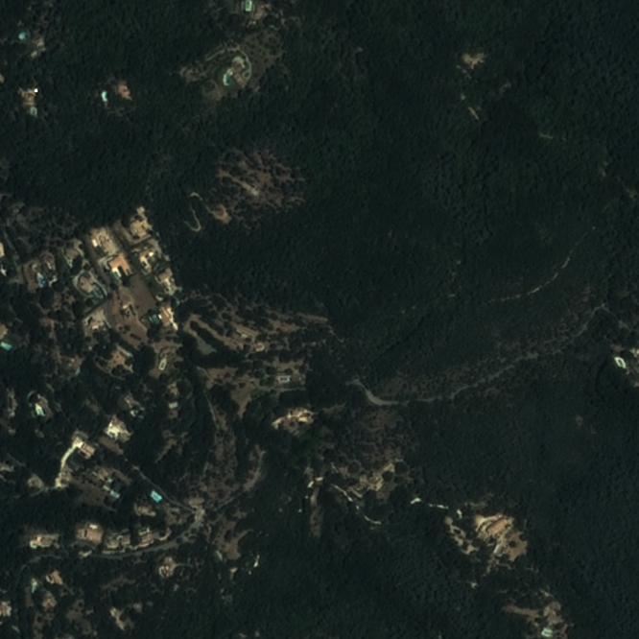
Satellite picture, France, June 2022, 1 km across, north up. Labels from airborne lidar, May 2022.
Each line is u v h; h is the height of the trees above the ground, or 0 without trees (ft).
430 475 53
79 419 43
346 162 46
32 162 39
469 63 35
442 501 27
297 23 25
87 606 36
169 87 44
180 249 37
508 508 29
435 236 20
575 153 32
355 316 48
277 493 32
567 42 30
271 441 33
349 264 45
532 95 40
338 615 46
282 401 46
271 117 39
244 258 53
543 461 25
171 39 26
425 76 53
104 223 28
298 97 37
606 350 29
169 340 27
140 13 39
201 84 23
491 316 30
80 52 30
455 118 23
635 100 43
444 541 43
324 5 29
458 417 41
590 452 31
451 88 47
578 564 28
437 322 26
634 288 35
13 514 46
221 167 27
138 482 47
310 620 26
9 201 38
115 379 32
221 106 23
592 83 47
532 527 22
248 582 39
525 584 31
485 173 45
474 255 36
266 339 31
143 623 29
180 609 28
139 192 28
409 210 24
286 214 40
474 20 30
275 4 29
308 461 39
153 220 46
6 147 40
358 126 35
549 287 25
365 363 38
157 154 27
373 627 44
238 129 31
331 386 55
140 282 0
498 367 32
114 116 25
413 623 50
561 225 29
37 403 57
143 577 23
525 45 49
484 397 29
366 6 42
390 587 55
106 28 52
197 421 49
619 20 23
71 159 39
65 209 22
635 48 32
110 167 48
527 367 45
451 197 55
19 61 30
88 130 31
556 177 36
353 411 30
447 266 33
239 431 39
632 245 36
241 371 33
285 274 39
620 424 34
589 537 22
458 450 40
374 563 45
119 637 31
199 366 36
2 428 50
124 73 36
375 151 39
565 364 37
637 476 38
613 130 43
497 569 27
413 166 44
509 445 25
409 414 45
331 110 46
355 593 54
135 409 43
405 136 47
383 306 58
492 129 67
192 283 45
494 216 41
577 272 21
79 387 34
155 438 40
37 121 41
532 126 36
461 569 51
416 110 43
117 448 0
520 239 22
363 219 26
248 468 20
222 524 20
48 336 24
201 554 31
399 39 37
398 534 28
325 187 30
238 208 34
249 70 0
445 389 30
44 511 45
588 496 35
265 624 25
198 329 39
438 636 36
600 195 55
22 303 41
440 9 41
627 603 32
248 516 28
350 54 40
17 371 53
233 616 39
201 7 34
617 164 52
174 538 28
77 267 32
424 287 47
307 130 37
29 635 37
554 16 59
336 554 57
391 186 42
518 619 41
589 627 48
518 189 27
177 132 23
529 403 24
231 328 27
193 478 23
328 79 38
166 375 26
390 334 29
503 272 27
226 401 46
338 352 39
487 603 49
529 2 47
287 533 57
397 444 31
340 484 51
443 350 21
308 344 27
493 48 47
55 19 28
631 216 27
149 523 41
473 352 23
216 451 26
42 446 60
